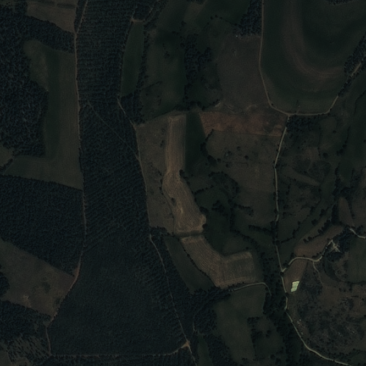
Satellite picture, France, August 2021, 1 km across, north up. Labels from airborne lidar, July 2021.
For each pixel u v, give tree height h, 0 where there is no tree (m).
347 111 0
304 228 0
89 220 8
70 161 0
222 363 8
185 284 13
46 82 0
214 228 0
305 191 0
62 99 0
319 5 0
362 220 0
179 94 0
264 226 0
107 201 6
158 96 5
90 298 8
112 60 11
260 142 0
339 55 0
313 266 0
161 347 6
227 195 0
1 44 17
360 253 0
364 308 0
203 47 0
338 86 0
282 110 0
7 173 0
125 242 9
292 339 11
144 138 0
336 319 0
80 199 6
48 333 9
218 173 5
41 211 12
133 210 11
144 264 8
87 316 8
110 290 8
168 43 0
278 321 10
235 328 0
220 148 0
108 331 8
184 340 8
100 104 11
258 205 0
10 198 15
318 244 0
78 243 7
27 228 12
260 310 0
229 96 0
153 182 0
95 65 8
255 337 6
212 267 0
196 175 0
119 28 8
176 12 0
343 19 0
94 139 9
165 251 16
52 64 0
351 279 0
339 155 13
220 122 0
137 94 11
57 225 14
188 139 0
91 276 7
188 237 0
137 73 0
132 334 10
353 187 7
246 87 0
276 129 0
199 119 0
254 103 0
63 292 0
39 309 0
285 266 10
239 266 0
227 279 0
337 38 0
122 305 10
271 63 0
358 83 0
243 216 0
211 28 0
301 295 0
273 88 0
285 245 0
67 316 11
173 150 0
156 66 0
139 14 16
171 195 0
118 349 10
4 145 7
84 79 9
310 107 0
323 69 0
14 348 15
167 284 13
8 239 14
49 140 0
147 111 0
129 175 12
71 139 0
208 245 0
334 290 0
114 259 9
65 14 0
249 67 0
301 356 11
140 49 0
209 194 0
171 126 0
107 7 6
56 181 0
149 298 6
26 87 15
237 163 0
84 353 8
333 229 0
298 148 6
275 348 0
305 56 0
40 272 0
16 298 0
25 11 9
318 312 0
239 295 0
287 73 0
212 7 0
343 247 14
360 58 12
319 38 0
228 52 0
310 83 0
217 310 0
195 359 7
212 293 12
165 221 0
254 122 0
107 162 9
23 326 15
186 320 10
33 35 16
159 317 6
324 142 0
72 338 7
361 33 0
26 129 13
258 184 0
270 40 0
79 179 0
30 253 15
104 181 11
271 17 0
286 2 0
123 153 13
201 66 13
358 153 0
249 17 11
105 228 7
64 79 0
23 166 0
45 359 10
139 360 10
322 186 0
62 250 12
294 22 0
